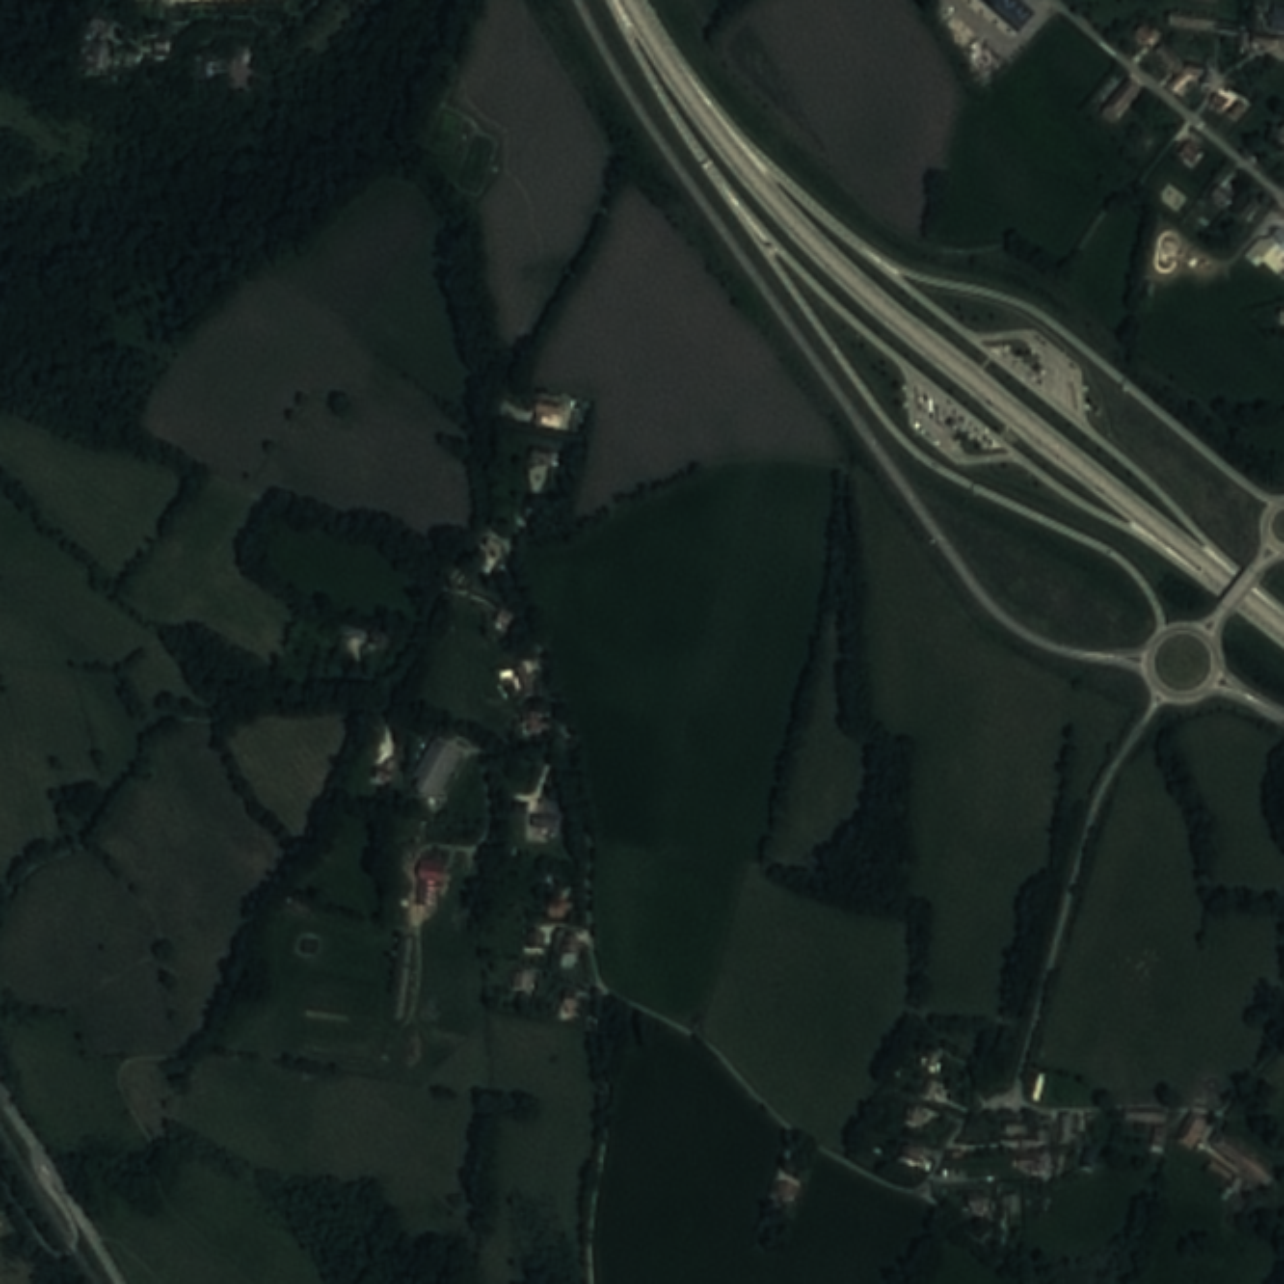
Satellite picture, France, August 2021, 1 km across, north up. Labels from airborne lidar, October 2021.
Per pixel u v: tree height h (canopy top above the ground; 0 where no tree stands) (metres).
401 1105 0
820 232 0
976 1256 10
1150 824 0
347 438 0
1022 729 0
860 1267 0
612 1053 14
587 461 16
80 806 13
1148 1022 0
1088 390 0
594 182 0
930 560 0
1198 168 0
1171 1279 0
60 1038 0
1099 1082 0
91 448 11
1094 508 0
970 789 0
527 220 0
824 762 0
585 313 0
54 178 8
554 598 0
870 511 0
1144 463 0
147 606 0
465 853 0
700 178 0
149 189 33
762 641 0
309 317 0
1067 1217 0
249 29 8
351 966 0
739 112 0
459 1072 0
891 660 0
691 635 0
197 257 8
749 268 0
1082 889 7
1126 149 6
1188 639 0
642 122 0
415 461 0
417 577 22
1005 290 0
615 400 0
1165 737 12
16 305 37
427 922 0
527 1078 0
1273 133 7
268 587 19
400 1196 0
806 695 16
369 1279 16
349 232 0
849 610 16
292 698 20
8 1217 9
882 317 0
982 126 0
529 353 22
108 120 15
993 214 0
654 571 0
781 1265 0
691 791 0
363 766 0
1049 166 0
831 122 0
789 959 0
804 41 0
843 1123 0
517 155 0
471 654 0
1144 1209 16
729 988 0
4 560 0
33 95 9
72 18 23
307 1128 0
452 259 27
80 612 0
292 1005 0
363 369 0
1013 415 0
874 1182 0
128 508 0
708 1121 0
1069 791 11
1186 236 0
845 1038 0
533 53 0
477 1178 22
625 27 0
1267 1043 11
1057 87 0
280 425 0
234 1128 0
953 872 0
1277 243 0
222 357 0
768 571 0
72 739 0
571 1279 6
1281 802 15
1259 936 0
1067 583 0
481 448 13
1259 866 0
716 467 0
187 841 0
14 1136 0
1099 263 0
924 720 0
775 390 0
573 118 0
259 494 0
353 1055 0
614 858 0
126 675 9
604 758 0
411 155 27
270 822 13
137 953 0
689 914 0
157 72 14
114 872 7
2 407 10
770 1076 0
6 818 0
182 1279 0
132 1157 10
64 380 23
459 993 0
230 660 21
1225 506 0
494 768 14
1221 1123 18
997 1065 6
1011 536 0
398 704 15
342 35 11
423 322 0
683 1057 0
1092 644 0
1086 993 0
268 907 20
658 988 0
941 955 0
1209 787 0
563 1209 0
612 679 0
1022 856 0
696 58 0
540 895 8
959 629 0
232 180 31
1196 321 0
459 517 0
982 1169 0
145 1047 0
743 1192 0
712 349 0
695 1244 0
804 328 0
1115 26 7
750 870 0
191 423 0
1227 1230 0
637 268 0
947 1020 9
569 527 17
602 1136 11
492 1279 0
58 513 0
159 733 10
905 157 0
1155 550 0
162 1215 0
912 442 0
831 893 16
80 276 19
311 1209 8
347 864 0
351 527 19
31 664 0
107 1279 0
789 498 0
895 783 21
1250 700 0
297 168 28
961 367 0
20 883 9
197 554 0
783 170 0
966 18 0
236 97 13
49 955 0
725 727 0
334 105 28
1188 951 0
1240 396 0
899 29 0
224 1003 17
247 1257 0
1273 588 0
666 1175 0
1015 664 0
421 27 13
